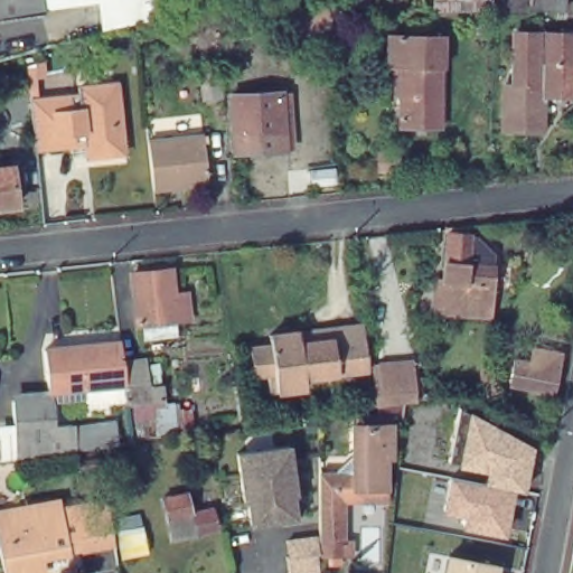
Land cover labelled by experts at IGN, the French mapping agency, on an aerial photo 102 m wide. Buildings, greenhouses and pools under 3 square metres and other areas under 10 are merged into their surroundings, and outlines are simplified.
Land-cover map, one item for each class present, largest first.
<instances>
[{"label":"building","instance_id":"1","mask_svg":"<svg viewBox=\"0 0 573 573\"><path fill-rule=\"evenodd\" d=\"M96 9L101 11L103 29H123L137 25L139 20H148L152 11L150 0H0V27H7V22L11 20L45 18L47 11ZM441 16L450 18L452 13H477L486 4V0H430ZM571 0H530V13L544 11L555 20H569ZM311 22L318 27L322 22H331V13L325 7L311 18ZM510 69H515L510 74L513 85H501L499 119L501 134L515 137L539 139L553 125V112H564L573 107V34L519 31H513V56L508 65ZM450 43L445 36H389L387 40V60L396 76L394 101V112L398 119V128L403 132H414L421 139H428L430 134H439L445 130V72ZM31 78L29 90V107L34 121L36 150L43 159H63L65 152H69L72 159H114L116 154L128 157V132L121 85H103L85 83L78 85L76 94L45 98L38 92V85L40 81L49 78L51 69H47V65L43 63L31 60H27V67ZM201 96L206 103L222 101V92L219 87H210L204 83ZM224 128L233 137L235 154L242 157L251 159L262 148L266 157L291 154L295 145L302 141L300 92L295 90L291 94H231ZM152 204H154L163 192L175 195V199L179 201H186L197 184L206 181V148L213 145V137L170 139L157 141L152 145L145 130ZM376 163L378 175L385 179L389 175V163L381 152L376 157ZM336 166L327 157L320 161H311L309 170L311 186H336ZM25 213L18 168H0V215ZM441 260L436 264V269L441 271V280L423 295L441 316L466 320H492L495 313L497 278H506L508 262L504 260V244L486 239L479 233L472 237L454 233L452 228L443 231V239L439 244ZM105 264H101L98 260H63V264L31 266L25 275H36L38 271L60 273L94 271L101 266L110 269L114 262H132L130 255L105 257ZM132 322L137 338L148 340L152 351H161L163 340L177 338L179 325L195 322L192 302L188 293L179 291L175 269L139 271L130 273ZM269 345L253 347V367L257 376L269 383L275 396L293 398L309 394L316 385L340 383L360 376L374 378L378 410L369 412L360 421L363 425L351 428L356 432L354 461L340 463L336 472L325 475L322 459H316V495L311 497L309 492H300L295 457V450L291 448L278 450L242 454L235 461L237 475V481L244 506L233 515V519H246L248 526L253 530L301 528L300 513H316L318 535L307 539H291L287 544L289 573H340V566H351V562H355L354 542L347 539V510H356L358 506H363L365 515H372L374 506H383L387 510L392 504V472L401 470L403 477L410 470L434 475L450 477L445 488L443 513L452 524L439 526L425 522L401 517L392 519L401 526L450 535L459 542L468 539L517 549L524 548L526 544V530H519L513 524V517L517 508V497L526 495L530 488L535 450L528 443L497 430L495 425L472 414H466L463 410H457L448 443L445 468L412 463L407 461V450H396V425L403 419L401 414H405V407L419 401L416 363L372 365L369 358L365 327L358 325L316 327L313 331H304L302 336L295 331L278 334L275 329L264 334ZM43 378L47 383V389L29 394L20 392L18 396H13L9 405L13 423H0V459L16 461L69 450H101L119 436L116 423H96L67 428L58 425L56 410H63L65 403H87L90 392L123 389L128 394L124 405L125 432L128 436H141L152 441L159 436H163L168 430L177 425L190 423L199 414V403L192 398L184 401L175 396L172 378L166 374L161 376V365H154L148 360L125 363L123 342H98L81 347H56V342H51L49 351L40 354ZM564 363V354L560 351L533 349L530 360H515L510 367V387L515 392H524L533 401L535 396L557 394ZM307 434L318 432L316 421L307 423L302 430ZM168 539L177 544L184 539L210 537L219 532L222 530L219 519L215 511L195 510L192 497L189 495H163L161 499ZM105 551L114 560V573H128L125 560L145 557L150 551L141 517H137L123 519L121 533H114L110 508L92 504H31L25 508L0 510V573H63L72 564V560ZM448 573H501L499 566L492 564L457 560L448 566Z\"/></svg>","mask_w":573,"mask_h":573},{"label":"deciduous trees","instance_id":"2","mask_svg":"<svg viewBox=\"0 0 573 573\"><path fill-rule=\"evenodd\" d=\"M152 11L148 20H139L137 25L123 29H103L87 38L83 54H78L74 58V65L65 69L67 74H83L85 83L103 85L101 81L105 76L128 74L130 67L137 65L139 114L145 128L152 125L154 119L148 112V105H154L157 87L168 85L181 92L184 81L197 83L201 78L204 83L210 87H219L222 92H228V87L242 83L244 69L233 65L231 60H195L192 56L188 60H172L168 56H154L152 47H168V43L161 40L163 29H177L199 16L219 31L222 45H231L237 40L251 43L257 34H266V56L295 60L298 69L309 81V87L329 90V96L325 101V119L329 125L331 152L327 157L336 166V186L338 192L345 197L389 195L398 201H414L419 197L439 195L448 190L481 192L488 181H497L499 186H517L522 179L537 175L542 181H551L564 175H573V157H544V161L537 163L535 150L539 139L515 137L513 148L517 154L528 157L530 172H524L515 166H508L501 172L495 159L481 161L472 154H463V143L457 139L432 145L428 163L419 159L401 163V154H407L421 139L414 132H403L398 128V119L394 112H381L378 134L369 139L367 132L360 128L363 123H367V116L358 114L356 107L360 101L378 96H387L394 101L396 76L387 60V40L389 36H398L394 27L398 25L425 27L439 20L441 16L430 0H150ZM325 7L331 13V22H322L318 27L311 22V18ZM381 152L389 163V175L385 179L378 175L376 163V157ZM459 47L468 45L470 51L477 47L499 49L513 43V31H519V16L510 13L508 18H499L497 7L490 0H486V4L477 13H452L450 18ZM31 78L27 67L18 63L0 65V112L9 110V98L29 90ZM18 148L36 150L34 121H25ZM251 159L242 157L237 163H233L231 175L237 188V192L231 197L233 204L246 208L253 201H260L262 195L251 179ZM116 172L107 168L92 184L94 188L103 192H114ZM83 208V184L74 179L67 184V210ZM217 197L213 195L206 181L197 184L186 201H179L175 199V195L163 192L154 204L159 213H170L188 206L195 213L206 215L215 206ZM45 222L43 208L34 206V210L25 213L0 215V235L38 228ZM479 233L486 239L504 244L510 233H522L524 242L533 251H542L555 266H564V278L557 287L551 289V302L544 304V316L539 325L515 322V334H506L499 331L492 322H488L483 342L486 356L483 367L479 369L481 385L472 396H468L463 383H441L434 378V369H441L443 356L457 342V336L463 331L466 320L441 316L423 295L441 280V271L436 269V264L441 260L439 244L443 239V231L436 228L396 233L385 237L392 251H401V246H407V251L414 255L416 264L414 278L410 282V291L403 300L407 313L410 351L419 354L416 363L419 401H430L432 407L445 403L454 405L457 410H463L466 414H472L495 425L497 430L528 443L535 450L539 448L546 457L553 450L551 434L555 432L557 419L564 410L557 394L535 396L533 401L537 416L542 419V425H530L526 416L508 407V396H504L501 392L510 387V367L515 360H530L533 349L560 351L566 340L573 338V213L560 215L557 219L548 222L535 219L528 226L526 222L486 224L479 226ZM345 278L349 289L351 318H356L358 325L365 327L369 358L376 356L378 349L385 345L381 325L385 322L387 307L381 300L383 264L369 255V239H356L347 244ZM307 248H309V251H311V253L316 255V260H318L320 264H327V266H331V246H329V244H309V246H307ZM513 257L519 260L517 273L526 282H530L526 253L519 248L504 246V260L508 262ZM188 262L184 260L179 251L154 253L152 264H139V271L175 269L179 291L188 293L195 291V287L188 280ZM60 322H54L51 334L56 336L63 331L65 336H69L76 329V311L58 307ZM316 316L311 311L298 313L287 318L275 329L278 334L295 331L302 336L304 331H313L316 327ZM25 351L22 342L18 340L16 331L0 329V363H16ZM269 345L264 334H239L235 340L237 365L231 372L222 374V381L226 385L239 389V401L244 410L242 423H233L235 410L215 412L208 416L199 414L190 423L177 425L168 430L163 436H159L163 445H181L186 450L177 459V472L179 483L189 486L204 490L210 477L219 483H226L228 488L237 481V475L231 477L217 470V463H222L224 459L226 434L239 432L242 436H248V441L271 436L302 430L307 423L316 421L318 432L307 434L304 441L309 445L316 459H322L331 454L334 439H327V434L331 432V423L347 421L351 425L354 419L360 421L369 412L378 410L374 378L360 376L340 383L316 385L309 394L293 398L275 396L269 383L257 376L253 367V347ZM154 365H161V376L166 374L172 378L175 396L184 401L192 398L190 392L195 378L186 374L181 367H172L170 354L161 351H152ZM58 425L67 428L96 423L94 416H87V403H65L63 410H56ZM152 441L141 436H128L125 432L119 436L101 450H69L16 461V470L29 486L40 483V479L67 477L81 470L85 479H94L92 504L110 508L114 533H121L123 519L137 517L134 499L145 495V490L157 477L159 454H152ZM222 530L231 537L237 539L246 533L248 526L246 519H233V515L219 519Z\"/></svg>","mask_w":573,"mask_h":573},{"label":"herbaceous vegetation","instance_id":"3","mask_svg":"<svg viewBox=\"0 0 573 573\"><path fill-rule=\"evenodd\" d=\"M497 7L499 18H508L510 13L519 16V31L573 34V0H571L569 20H555L544 11L530 13V0H490ZM161 40L168 43V47H152L154 56H168L172 60H188L192 56L195 60H231L233 65L244 69L242 83L228 87V92H222V101L206 103L201 96L204 83L201 78L197 83L184 81L181 92L168 85L157 87L154 105H148V112L154 119L199 114L201 125L224 128L231 94H291L295 90L300 92L302 141L295 145L291 154L266 157L262 148L251 159V179L262 195L291 192L289 172L309 170L311 161H320L327 157L331 152L329 125L325 119V101L329 96V90L309 87V81L298 69L295 60L266 56V34H257L251 43L237 40L231 45H222L219 31L199 16L177 29H163ZM398 36H445L450 43L445 72V130L439 134H430L428 139H421L407 154H401V163L419 159L428 163L432 145L457 139L463 143V154H472L481 161L495 159L501 172L508 166H515L524 172H530L528 157L517 154L513 148L515 137L501 134L499 119L501 85H513L510 74L515 69H510L508 65L513 56V43L499 49L477 47L470 51L468 45L459 47L450 18L441 16L439 20L425 27L398 25L394 27ZM51 49V56H45L43 63L47 65V69H65L74 65V58L78 54H83L87 38H83L78 31H69L58 40H45ZM34 49H29L27 45L22 49H16L13 54L0 56V65L18 63L27 67V60H31ZM103 85H121L128 132V157L123 166L107 168L116 172L114 192H103L94 188V208L121 204H152L145 130V128L139 114L137 65L130 67L128 74L105 76L101 81ZM394 112V101L387 96H378L360 101L356 107L358 114L367 116V123H363L360 128L367 132L369 139L378 134L381 112ZM537 163L544 161V157H573V107L564 112H553V125L539 139L535 150ZM504 246L519 248L526 253L530 282H526L517 273L508 280V287L504 284L506 309H499L495 313L492 320H466L463 331L457 336V342L443 356L441 369H434V378L441 383H463L468 396H472L481 385L479 369L483 367L486 356L483 342L488 322H492L499 331L506 334H515V322L539 325L544 316V304L551 302V289L557 287L564 278V266H555L542 251H533L524 242L522 233H510L504 244ZM188 262V280L195 287V291L188 293L192 302L195 322L179 325L177 338L163 340L161 351L170 354L172 367H181L186 374L195 378L190 392L192 398L199 403V414L208 416L215 412L235 410L233 423H242L244 410L239 401V389L226 385L222 381V374L231 372L237 365L235 340L239 334H264L275 329L287 318L298 313L311 311L316 316L318 309L327 304L329 266H327V264H320L318 260H316V255L311 253V251H309V248H307V246H248L222 255H186L184 260ZM394 271L398 280L410 282L414 278L416 264L414 255L407 251V246H401V251H392ZM58 307L76 311V329L78 334H87L96 322L112 318L116 313L114 282L110 269L101 266L94 271L60 273ZM40 284L36 275H0V329L16 331L18 340L22 342L34 316L36 293ZM504 396H508V407L526 416L530 425H542V419L537 416L533 401L524 392H515L510 387L501 392ZM457 410L454 405L445 403L432 407L414 412V425L410 428L407 450V461L412 463L445 468L448 443ZM96 423H116L119 436L125 432L124 405H114L110 414H103L98 410L94 416ZM363 425L360 421L354 419L351 425L347 421L331 423V432L327 434V439H334L331 454H347V432L351 428ZM278 450L291 448L295 450V457L304 452L309 445L304 441L307 434L302 430L271 436ZM248 441V436H242L239 432L226 434L224 459L222 463H217V470L231 477L237 475L235 461L242 454V448ZM152 454H159L157 477L145 490V495L134 499L137 517H141L150 551L145 557L125 560L128 573H227L219 532L210 537L184 539L177 544L168 539L161 499L163 495H189V486L179 483L177 472V459L186 450L181 445H163L159 436L152 441ZM25 497L31 504H92L94 479H85L81 470L67 477L40 479V483L29 486V495ZM434 475L410 470L403 477L401 517L425 522ZM206 501L215 499V511L219 519L233 515L244 506L237 481L228 488L226 483H219L210 477L204 490ZM432 553L450 555L457 560L492 564L499 566L501 573H513V560L517 549L468 539L459 542L450 535L401 526L394 573H425L428 555Z\"/></svg>","mask_w":573,"mask_h":573},{"label":"impervious surface","instance_id":"4","mask_svg":"<svg viewBox=\"0 0 573 573\"><path fill-rule=\"evenodd\" d=\"M103 29L101 11L96 9L47 11L45 18L11 20L7 22V27H0V56L13 54L16 49H22L27 45L29 49H34L31 60L43 63L45 56H51V49L45 40H58L69 31H78L83 38H87ZM25 121H34L29 107V90L9 98V110L0 112V168H18L25 213L34 210V206L43 208L45 222L38 228L0 235V275H25L31 266L63 264V260H98L101 264H105V257L130 255L132 262H114L110 269L114 282L116 313L112 318L96 322L87 334H78L76 329L69 336H65L63 331L56 336L51 334L54 322H60L58 307L60 273L38 271L36 275L40 284L36 293L34 316L22 342L25 351L16 363H0V423H13L9 405L13 396H18L20 392L29 394L47 389V383L43 378L40 354L49 351L51 342H56V347H81L98 342H123L125 363L148 360L154 365L152 351L148 340L137 338L132 322L130 273L139 271V264H152L154 253L179 251L184 260L186 255H222L248 246H309V244H329V246H331L336 242L347 244L356 239H369L385 237L396 233L436 228L443 231L452 228L454 233L472 237L479 233V226L486 224L526 222L528 226L535 219L548 222L557 219L560 215L573 213V175H564L551 181H542L537 175L522 179L517 186H499L497 181H488L481 192L448 190L439 195L419 197L414 201H398L389 195L345 197L338 192L336 186H311L307 190L291 192L262 195L260 201H253L246 208L233 204L231 197L237 192V188L231 175L233 163H237L242 157L235 154L233 137L224 128L201 125L199 114L154 119L152 125L145 128V130L152 145L157 141L170 139L213 137V145L206 148V181L213 195L217 197L215 206L206 215L195 213L188 206L170 213H159L154 204H121L94 208V188L92 184L107 168L123 166L128 157L116 154L114 159H72L69 152H65L63 159H43L36 150L18 148ZM74 179L83 184V208L67 210V184ZM519 260L513 257L508 262L506 278H497L495 313L499 309H506L504 284L508 287V280L517 273ZM564 354V363L557 394L564 410L557 419L555 432L551 434L553 450L546 457L539 448L535 450L530 488L526 495L517 497V508L513 517V524L519 530H526V544L524 548L517 549L513 560V573H573V338L566 340L560 351ZM128 394L123 389L90 392L87 403V416H94L98 410L103 414H110L114 405H124ZM356 432L351 428L347 432V454H331L322 459L325 475L336 472L340 463L354 461ZM278 450L271 436L248 441L242 448V454ZM300 492H309L311 497L316 495V459L309 445L304 452L295 457ZM16 470V461L0 459V510L25 508L31 504L25 497H18V492L7 488V477ZM189 495L192 497L195 510L215 511V499L206 501L204 490L189 486ZM347 539L354 542L355 562H351V566H340V573H383V569L376 571L369 562L363 560L365 555L360 546V533L365 528H378L385 535L387 510L383 506H374L372 515H365L363 506H358L356 510H347ZM301 528L253 530L248 526L246 533L237 539L231 537L237 573H289L287 544L291 539H307L318 535L316 513H300ZM63 573H114V560L105 551L72 560V564ZM457 560L450 555L432 553L428 555L425 573H448V566Z\"/></svg>","mask_w":573,"mask_h":573},{"label":"pervious surface","instance_id":"5","mask_svg":"<svg viewBox=\"0 0 573 573\"><path fill-rule=\"evenodd\" d=\"M85 83L83 74H67L65 69H51L49 78L40 81L38 85V92L45 98L76 94L78 85ZM309 170L289 172L291 192L307 190L311 186ZM369 255L383 264L381 300L387 307L385 322L381 325L385 345L378 349L376 356L369 358L372 365L416 363L419 354L410 351L407 313L403 300L410 291V282L398 280L394 271L392 251L385 237L369 239ZM347 244L336 242L331 246V266H329L327 304L318 309L316 316V327L358 325L356 318H351L349 289L345 278ZM450 477L434 475L425 522L439 526L452 524L443 513L445 488Z\"/></svg>","mask_w":573,"mask_h":573},{"label":"brushwood","instance_id":"6","mask_svg":"<svg viewBox=\"0 0 573 573\"><path fill-rule=\"evenodd\" d=\"M432 407L430 401H419L405 407V414H401L403 419L396 425V450H407L410 428L414 425V412ZM403 477L401 470L392 472V504L387 510L385 535L383 569V573H394L401 526L392 519L401 517ZM219 532L227 573H237L231 537L222 530Z\"/></svg>","mask_w":573,"mask_h":573},{"label":"swimming pool","instance_id":"7","mask_svg":"<svg viewBox=\"0 0 573 573\"><path fill-rule=\"evenodd\" d=\"M7 488L18 492V497H25L29 495V486L16 470L7 477ZM360 546L365 555L363 560L369 562L376 571L383 569L385 535L378 528H365L360 533Z\"/></svg>","mask_w":573,"mask_h":573}]
</instances>
